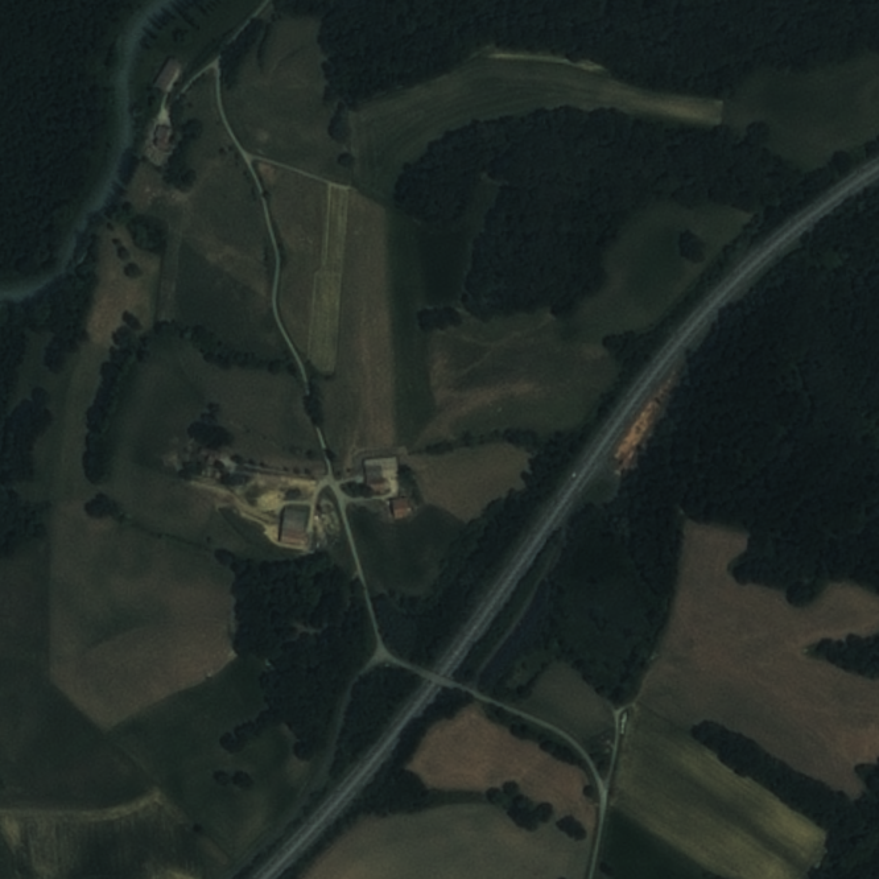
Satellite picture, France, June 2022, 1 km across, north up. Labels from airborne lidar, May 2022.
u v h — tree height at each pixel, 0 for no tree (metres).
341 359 0
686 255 22
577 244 25
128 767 0
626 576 8
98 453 15
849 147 0
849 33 17
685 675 0
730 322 19
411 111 0
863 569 22
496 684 13
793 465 21
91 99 18
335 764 8
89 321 0
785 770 18
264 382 0
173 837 0
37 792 0
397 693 17
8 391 19
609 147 28
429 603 11
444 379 0
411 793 11
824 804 29
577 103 0
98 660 0
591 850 0
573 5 25
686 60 30
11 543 19
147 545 0
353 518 0
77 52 22
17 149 10
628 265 0
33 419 26
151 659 0
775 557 21
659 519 18
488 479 0
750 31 24
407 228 0
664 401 8
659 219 0
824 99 0
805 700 0
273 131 0
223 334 0
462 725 0
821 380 25
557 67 0
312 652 23
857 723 0
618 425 0
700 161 29
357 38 26
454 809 0
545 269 31
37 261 18
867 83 0
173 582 0
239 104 0
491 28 17
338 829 11
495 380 0
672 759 0
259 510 0
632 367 8
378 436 0
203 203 0
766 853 0
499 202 14
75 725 0
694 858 0
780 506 21
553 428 0
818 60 25
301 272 0
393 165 0
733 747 23
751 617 0
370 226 0
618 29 27
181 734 0
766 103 0
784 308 19
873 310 25
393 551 0
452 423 0
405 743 17
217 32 0
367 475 0
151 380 0
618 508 12
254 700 0
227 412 0
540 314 0
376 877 0
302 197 0
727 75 11
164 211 0
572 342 0
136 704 0
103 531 0
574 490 0
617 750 0
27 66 12
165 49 0
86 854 0
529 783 0
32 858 0
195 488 0
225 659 0
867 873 19
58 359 17
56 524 0
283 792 0
